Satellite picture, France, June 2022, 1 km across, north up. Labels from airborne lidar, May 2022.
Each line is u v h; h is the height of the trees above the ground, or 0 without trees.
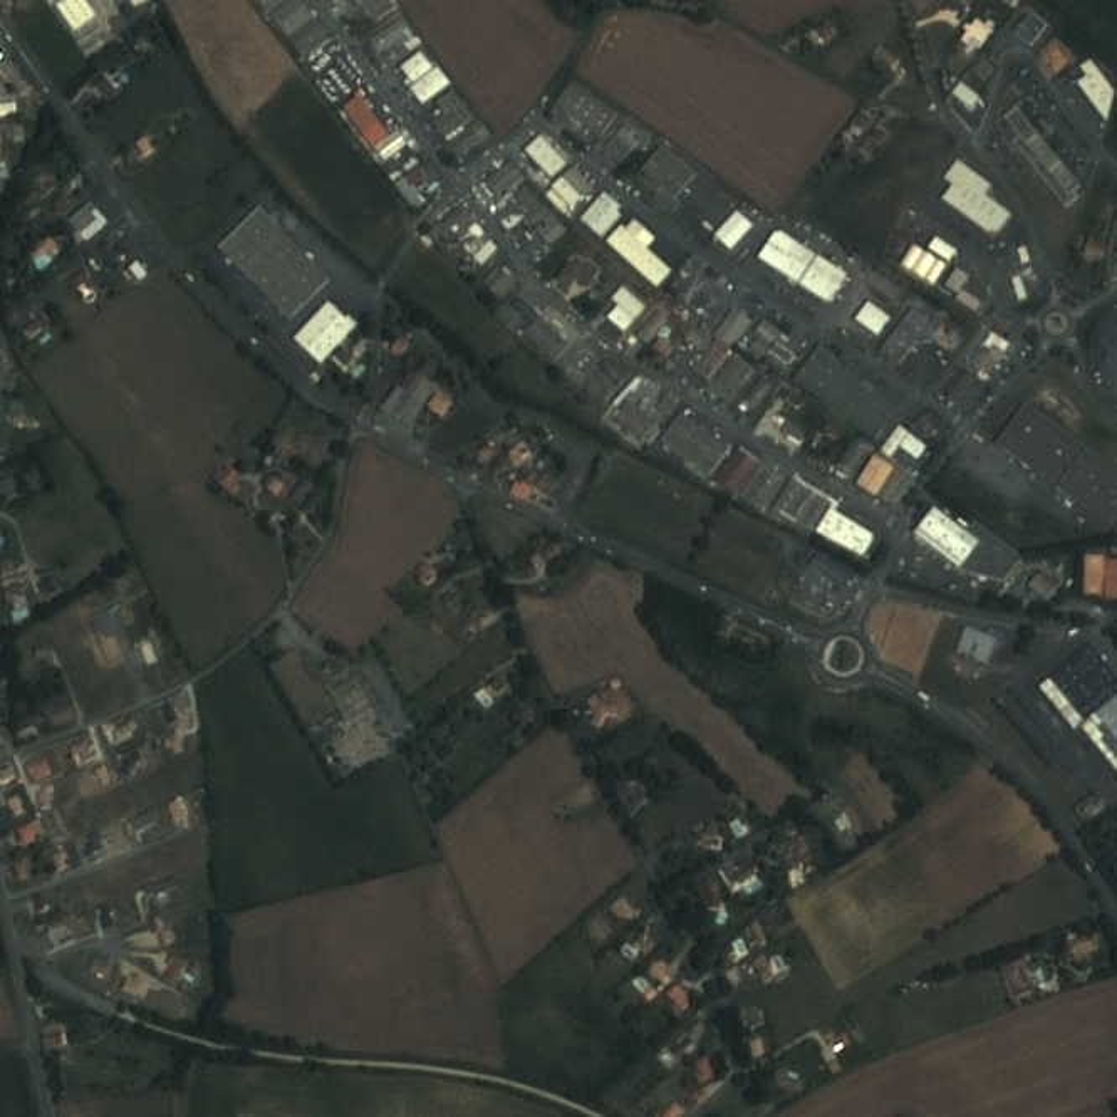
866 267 0
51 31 0
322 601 0
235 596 0
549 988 0
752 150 0
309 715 0
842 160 8
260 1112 0
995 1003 0
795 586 0
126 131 0
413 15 0
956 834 0
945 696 0
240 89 0
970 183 0
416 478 0
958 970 16
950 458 8
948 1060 0
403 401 0
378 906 0
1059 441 0
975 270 0
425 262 0
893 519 0
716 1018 11
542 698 10
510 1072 6
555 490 0
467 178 0
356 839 0
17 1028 0
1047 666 0
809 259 0
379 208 0
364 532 0
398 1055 6
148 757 0
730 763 0
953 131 0
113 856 0
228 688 0
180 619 0
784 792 0
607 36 0
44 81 0
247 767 0
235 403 0
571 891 0
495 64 0
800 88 0
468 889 0
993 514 0
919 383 0
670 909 11
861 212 0
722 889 6
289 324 0
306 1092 0
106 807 0
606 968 0
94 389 0
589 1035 0
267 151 0
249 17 0
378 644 12
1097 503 0
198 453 0
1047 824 9
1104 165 0
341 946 0
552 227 0
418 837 0
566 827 0
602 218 0
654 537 0
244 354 12
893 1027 0
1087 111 0
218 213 0
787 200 0
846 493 0
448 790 8
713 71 0
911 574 0
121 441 0
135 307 0
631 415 0
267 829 0
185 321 0
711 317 0
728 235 0
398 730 0
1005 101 0
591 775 12
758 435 0
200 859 0
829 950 0
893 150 0
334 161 0
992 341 0
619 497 0
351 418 0
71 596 10
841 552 8
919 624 0
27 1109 0
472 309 0
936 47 0
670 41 0
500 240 0
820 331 0
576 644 0
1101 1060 0
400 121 0
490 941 0
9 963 0
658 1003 0
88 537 0
